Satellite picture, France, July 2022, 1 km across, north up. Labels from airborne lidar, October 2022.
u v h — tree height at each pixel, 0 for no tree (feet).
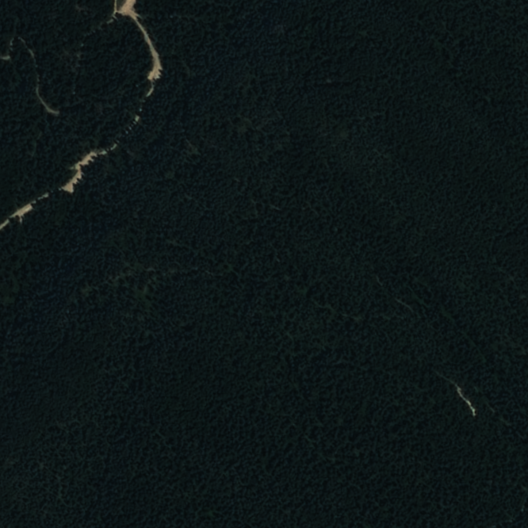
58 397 61
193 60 51
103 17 40
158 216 66
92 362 72
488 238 43
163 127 52
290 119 71
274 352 48
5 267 30
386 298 53
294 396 26
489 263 48
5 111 60
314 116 46
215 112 69
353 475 41
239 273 107
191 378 47
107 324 58
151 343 29
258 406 18
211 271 71
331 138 48
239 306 74
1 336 24
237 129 35
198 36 44
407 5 59
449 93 41
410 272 99
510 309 50
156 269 41
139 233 58
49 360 65
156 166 69
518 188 36
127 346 39
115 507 72
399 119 67
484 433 63
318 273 74
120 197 59
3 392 69
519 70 51
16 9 94
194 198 82
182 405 20
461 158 48
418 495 47
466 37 34
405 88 28
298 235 42
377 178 31
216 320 36
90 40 69
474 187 23
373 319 44
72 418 64
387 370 37
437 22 38
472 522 70
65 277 80
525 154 32
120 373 63
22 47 62
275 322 46
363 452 69
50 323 67
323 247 42
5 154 62
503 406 59
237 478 70
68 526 35
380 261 43
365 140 55
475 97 47
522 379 66
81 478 94
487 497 73
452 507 75
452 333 49
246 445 73
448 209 47
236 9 84
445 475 59
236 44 20
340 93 61
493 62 54
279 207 57
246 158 80
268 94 84
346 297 44
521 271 51
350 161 36
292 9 60
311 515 65
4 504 69
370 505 70
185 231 81
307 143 44
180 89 47
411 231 49
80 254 68
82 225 23
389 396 79
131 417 63
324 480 62
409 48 44
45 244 49
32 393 68
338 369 64
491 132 59
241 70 62
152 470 49
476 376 46
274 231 61
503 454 24
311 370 47
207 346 52
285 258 21
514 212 91
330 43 61
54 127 60
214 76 81
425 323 63
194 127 66
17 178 38
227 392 68
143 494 71
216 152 53
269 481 70
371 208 54
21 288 42
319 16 68
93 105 24
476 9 36
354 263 55
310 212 66
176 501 43
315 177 51
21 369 73
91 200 21
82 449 42
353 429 59
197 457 50
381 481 59
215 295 40
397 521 27
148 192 69
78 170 0
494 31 50
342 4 86
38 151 31
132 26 48
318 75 68
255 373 23
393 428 23
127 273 74
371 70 62
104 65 47
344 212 70
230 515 97
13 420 70
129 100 83
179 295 56
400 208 55
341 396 24
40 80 35
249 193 65
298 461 66
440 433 23
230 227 56
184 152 34
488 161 50
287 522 64
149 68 89
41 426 60
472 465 22
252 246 21
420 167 77
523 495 66
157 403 38
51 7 56
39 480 55
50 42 60
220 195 67
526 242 61
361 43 68
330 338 19
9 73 51
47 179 27
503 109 75
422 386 78
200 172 98
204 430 72
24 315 56
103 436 66
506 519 54
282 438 64
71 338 66
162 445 40
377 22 62
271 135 44
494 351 57
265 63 71
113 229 69
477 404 46
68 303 45
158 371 57
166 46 45
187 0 25
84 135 58
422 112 50
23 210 0
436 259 37
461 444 73
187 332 72
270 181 61
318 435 101
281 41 62
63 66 43
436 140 66
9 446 46
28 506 26
